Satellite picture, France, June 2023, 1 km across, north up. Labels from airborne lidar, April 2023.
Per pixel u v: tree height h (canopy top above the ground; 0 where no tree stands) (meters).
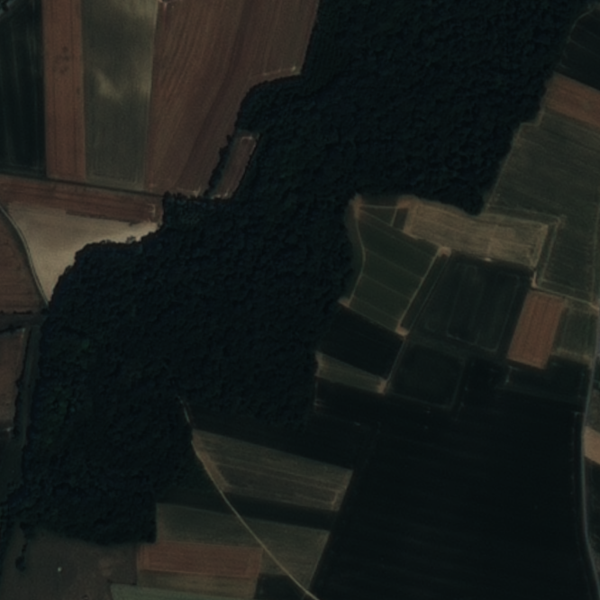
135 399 23
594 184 0
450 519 0
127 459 25
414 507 0
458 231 0
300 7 0
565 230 0
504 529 0
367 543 0
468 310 0
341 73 13
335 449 0
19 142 0
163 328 19
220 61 0
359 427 0
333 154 27
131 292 25
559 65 0
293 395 23
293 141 28
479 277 0
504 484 0
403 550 0
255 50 0
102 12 0
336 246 23
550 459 0
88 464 26
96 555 0
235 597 0
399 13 19
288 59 0
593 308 0
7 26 0
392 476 0
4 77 0
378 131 23
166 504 0
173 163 0
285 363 26
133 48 0
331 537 0
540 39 20
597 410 0
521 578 0
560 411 0
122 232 0
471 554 0
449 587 0
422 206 0
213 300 24
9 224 0
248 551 0
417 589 0
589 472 0
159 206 0
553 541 0
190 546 0
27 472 21
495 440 0
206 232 23
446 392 0
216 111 0
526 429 0
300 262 29
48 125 0
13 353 0
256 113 16
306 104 24
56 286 0
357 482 0
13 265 0
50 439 26
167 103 0
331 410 0
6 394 0
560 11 29
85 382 28
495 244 0
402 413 0
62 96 0
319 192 18
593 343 0
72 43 0
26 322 0
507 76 28
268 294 26
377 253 0
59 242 0
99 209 0
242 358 22
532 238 0
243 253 26
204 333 19
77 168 0
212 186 14
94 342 23
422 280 0
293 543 0
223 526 0
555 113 0
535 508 0
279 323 24
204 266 24
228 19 0
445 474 0
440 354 0
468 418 0
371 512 0
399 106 22
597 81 0
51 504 24
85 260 21
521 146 0
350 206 0
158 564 0
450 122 25
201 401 26
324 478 0
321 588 0
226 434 0
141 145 0
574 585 0
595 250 0
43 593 0
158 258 20
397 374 0
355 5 22
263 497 0
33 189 0
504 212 0
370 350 0
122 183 0
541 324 0
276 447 0
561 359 0
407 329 0
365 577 0
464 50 29
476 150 27
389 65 27
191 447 14
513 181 0
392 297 0
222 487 0
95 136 0
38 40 0
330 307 25
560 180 0
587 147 0
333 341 0
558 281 0
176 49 0
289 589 0
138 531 20
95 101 0
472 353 0
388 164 13
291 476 0
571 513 0
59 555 0
